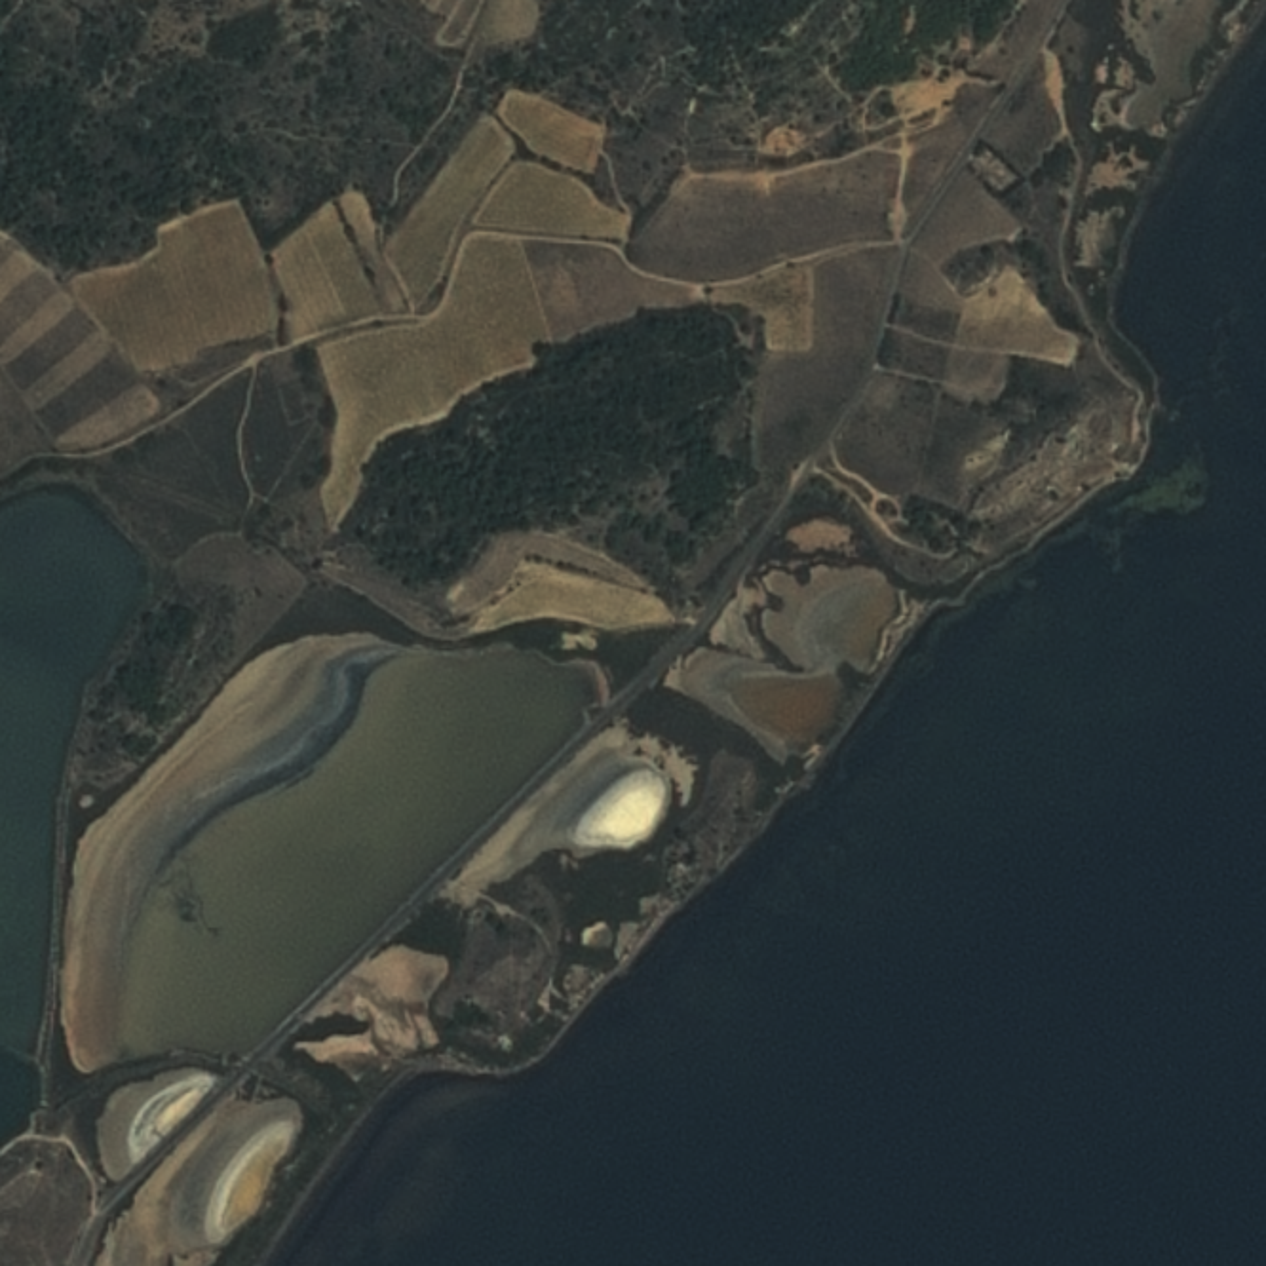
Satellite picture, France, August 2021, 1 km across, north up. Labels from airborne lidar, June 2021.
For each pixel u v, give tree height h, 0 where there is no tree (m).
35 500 0
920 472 0
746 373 9
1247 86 0
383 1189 0
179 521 0
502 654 0
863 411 0
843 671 0
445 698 0
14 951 0
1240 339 0
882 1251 0
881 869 0
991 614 0
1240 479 0
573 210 0
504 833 0
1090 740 0
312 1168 0
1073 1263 0
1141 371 0
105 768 0
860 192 0
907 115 0
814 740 0
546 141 0
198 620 6
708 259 0
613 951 0
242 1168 0
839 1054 0
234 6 0
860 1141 0
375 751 0
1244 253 0
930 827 0
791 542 0
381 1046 0
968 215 0
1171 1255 0
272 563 0
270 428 0
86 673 0
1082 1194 0
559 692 0
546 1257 0
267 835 0
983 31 9
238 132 6
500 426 12
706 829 0
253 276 0
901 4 8
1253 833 0
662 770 0
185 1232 0
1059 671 0
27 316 0
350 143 5
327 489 0
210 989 0
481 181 0
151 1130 0
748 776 0
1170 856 0
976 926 0
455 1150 0
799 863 0
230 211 0
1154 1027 0
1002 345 0
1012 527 0
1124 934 0
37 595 0
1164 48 0
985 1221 0
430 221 0
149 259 0
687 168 0
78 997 0
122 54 0
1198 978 0
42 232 11
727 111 0
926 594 0
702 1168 0
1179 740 0
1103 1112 0
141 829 0
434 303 0
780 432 0
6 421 0
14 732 0
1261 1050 0
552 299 0
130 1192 0
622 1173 0
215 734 0
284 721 0
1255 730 0
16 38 6
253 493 0
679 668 0
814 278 0
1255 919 0
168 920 0
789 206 0
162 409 0
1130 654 0
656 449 9
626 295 0
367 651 0
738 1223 0
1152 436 0
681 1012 0
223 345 0
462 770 0
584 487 7
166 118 8
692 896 0
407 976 0
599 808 0
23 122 9
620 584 0
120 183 10
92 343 0
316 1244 0
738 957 0
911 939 0
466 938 0
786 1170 0
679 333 8
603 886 0
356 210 0
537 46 0
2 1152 0
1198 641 0
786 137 0
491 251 0
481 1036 0
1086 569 0
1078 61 0
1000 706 0
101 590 0
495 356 0
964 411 0
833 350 0
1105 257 0
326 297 0
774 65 8
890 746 0
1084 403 0
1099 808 0
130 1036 0
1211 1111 0
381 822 0
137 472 0
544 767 0
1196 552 0
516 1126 0
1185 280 0
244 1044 0
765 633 0
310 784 0
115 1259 0
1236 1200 0
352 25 7
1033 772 0
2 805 0
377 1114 0
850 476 0
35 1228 0
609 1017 0
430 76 0
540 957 0
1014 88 0
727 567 0
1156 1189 0
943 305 0
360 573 0
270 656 0
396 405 0
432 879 0
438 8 0
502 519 9
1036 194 0
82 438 0
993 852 0
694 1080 0
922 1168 0
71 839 0
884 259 0
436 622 0
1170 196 0
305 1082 0
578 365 7
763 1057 0
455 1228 0
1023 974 0
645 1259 0
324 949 0
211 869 0
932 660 0
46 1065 0
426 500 7
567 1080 0
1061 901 0
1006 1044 0
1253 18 0
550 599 0
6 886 0
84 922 0
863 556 0
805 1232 0
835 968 0
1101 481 0
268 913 0
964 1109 0
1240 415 0
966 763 0
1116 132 0
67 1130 0
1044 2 0
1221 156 0
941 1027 0
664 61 0
